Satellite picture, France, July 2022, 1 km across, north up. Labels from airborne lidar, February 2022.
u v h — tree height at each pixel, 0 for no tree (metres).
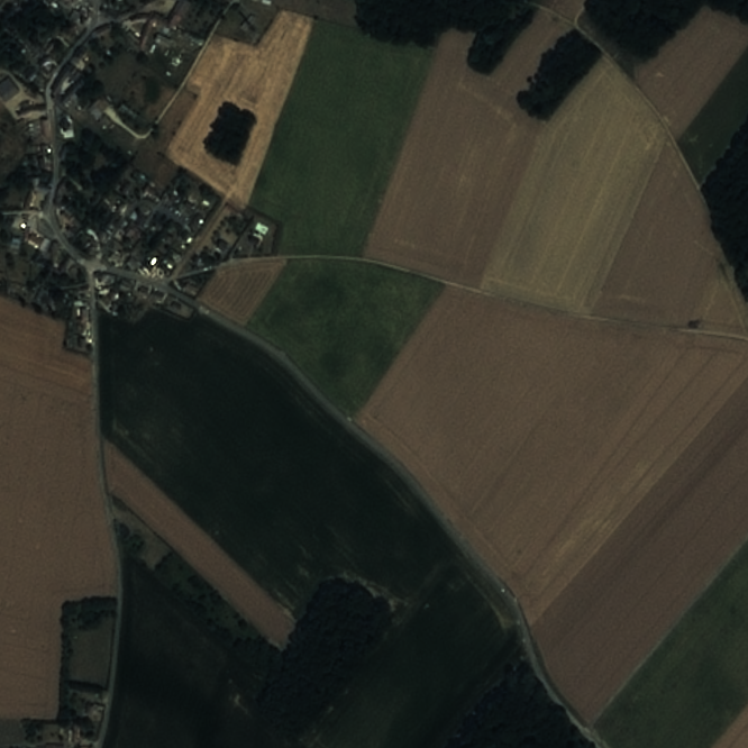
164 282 0
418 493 0
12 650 0
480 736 24
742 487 0
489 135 0
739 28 0
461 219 0
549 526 0
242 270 0
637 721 0
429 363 0
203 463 0
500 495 0
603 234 0
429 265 0
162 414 0
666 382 0
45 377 0
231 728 0
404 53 0
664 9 24
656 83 0
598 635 0
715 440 0
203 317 0
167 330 0
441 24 18
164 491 0
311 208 0
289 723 21
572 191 0
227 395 0
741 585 0
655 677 0
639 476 0
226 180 0
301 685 24
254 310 0
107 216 13
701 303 0
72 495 0
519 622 0
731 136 0
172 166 0
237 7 7
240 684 0
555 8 0
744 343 0
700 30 0
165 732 0
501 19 8
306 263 0
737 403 0
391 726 0
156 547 0
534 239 0
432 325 0
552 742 28
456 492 0
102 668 0
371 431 0
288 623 0
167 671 0
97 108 0
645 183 0
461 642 0
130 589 0
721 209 21
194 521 0
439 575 0
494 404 0
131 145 0
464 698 0
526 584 0
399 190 0
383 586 0
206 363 0
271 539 0
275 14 0
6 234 9
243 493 0
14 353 0
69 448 0
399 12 25
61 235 0
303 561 0
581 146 0
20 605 0
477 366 0
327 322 0
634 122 0
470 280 0
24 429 0
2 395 0
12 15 13
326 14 0
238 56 0
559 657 0
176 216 0
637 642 0
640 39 24
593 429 0
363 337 0
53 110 0
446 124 0
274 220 0
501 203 0
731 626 0
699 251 0
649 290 0
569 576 0
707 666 0
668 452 0
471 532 0
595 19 17
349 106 0
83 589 0
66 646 6
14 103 0
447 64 0
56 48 10
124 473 0
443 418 0
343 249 0
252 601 0
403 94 0
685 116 0
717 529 0
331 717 0
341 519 0
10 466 0
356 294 0
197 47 0
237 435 0
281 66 0
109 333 0
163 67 0
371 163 0
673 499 0
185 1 0
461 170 0
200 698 0
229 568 0
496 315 0
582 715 0
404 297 0
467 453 0
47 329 0
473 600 0
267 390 0
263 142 0
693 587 0
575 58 20
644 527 0
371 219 0
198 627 0
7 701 0
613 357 0
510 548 0
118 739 0
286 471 0
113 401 0
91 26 0
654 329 0
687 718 0
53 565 0
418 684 0
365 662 16
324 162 0
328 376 0
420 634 0
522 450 0
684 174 0
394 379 0
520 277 0
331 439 0
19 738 0
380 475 0
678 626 0
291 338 0
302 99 0
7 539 0
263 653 15
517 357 0
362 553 0
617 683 0
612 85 0
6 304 0
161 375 0
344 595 23
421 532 0
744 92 0
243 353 0
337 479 0
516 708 23
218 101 0
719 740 0
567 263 0
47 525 0
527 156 0
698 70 0
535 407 0
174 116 0
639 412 0
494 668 0
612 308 0
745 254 19
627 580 0
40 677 0
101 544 0
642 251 0
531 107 17
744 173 15
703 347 0
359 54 0
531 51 0
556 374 0
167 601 0
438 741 0
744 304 0
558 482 0
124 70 0
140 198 9
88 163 14
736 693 0
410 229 0
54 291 8
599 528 0
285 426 0
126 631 0
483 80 0
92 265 0
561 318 0
